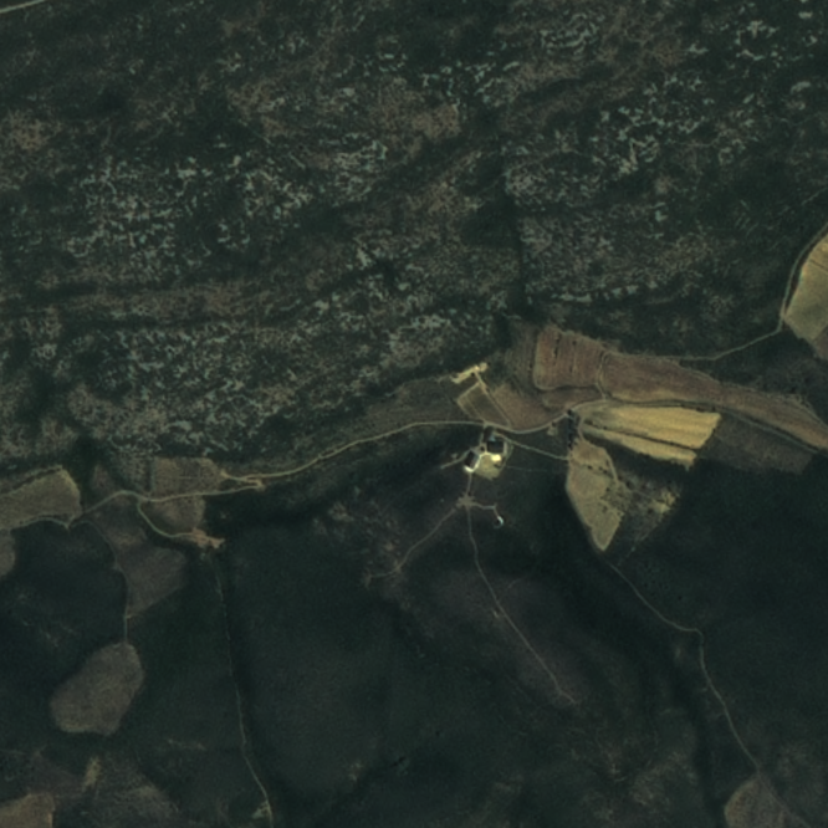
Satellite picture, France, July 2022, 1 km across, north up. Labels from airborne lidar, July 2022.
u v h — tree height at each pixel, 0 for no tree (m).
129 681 0
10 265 0
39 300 0
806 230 9
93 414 0
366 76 0
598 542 0
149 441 0
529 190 0
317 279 0
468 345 0
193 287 0
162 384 0
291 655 0
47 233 0
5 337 0
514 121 0
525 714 0
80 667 7
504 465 0
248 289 0
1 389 0
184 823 0
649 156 0
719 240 0
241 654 6
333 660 0
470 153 0
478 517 0
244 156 0
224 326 0
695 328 0
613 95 0
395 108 0
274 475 0
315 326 0
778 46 0
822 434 0
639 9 0
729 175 0
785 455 0
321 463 6
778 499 6
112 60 0
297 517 7
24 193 0
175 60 0
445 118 0
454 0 0
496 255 0
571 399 0
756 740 0
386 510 0
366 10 0
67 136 0
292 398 0
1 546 0
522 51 0
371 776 6
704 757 7
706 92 0
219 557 9
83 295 0
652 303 0
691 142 0
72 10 0
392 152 0
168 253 0
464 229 0
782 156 0
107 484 0
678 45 0
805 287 0
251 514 6
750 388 0
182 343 0
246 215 0
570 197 0
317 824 6
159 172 0
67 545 0
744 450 0
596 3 0
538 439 0
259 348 0
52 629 6
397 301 0
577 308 0
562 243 0
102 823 0
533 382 0
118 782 0
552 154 0
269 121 0
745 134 0
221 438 0
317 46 0
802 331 0
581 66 0
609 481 0
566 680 0
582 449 0
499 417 0
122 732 6
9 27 0
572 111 0
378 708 6
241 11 0
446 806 0
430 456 8
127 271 0
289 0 0
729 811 0
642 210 0
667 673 8
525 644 0
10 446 0
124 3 0
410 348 0
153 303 0
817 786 0
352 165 0
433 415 0
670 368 0
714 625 6
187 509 0
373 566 0
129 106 0
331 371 0
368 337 0
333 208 0
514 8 0
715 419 0
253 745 6
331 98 0
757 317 0
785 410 0
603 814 0
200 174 0
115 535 0
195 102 0
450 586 0
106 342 0
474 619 0
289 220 0
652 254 0
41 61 0
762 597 5
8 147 0
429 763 6
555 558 6
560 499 8
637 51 0
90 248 0
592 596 6
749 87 0
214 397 0
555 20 0
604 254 0
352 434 0
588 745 0
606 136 0
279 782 8
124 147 0
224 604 6
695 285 0
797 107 0
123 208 0
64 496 0
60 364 0
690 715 6
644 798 0
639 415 0
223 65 0
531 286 0
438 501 0
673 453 0
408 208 0
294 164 0
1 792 0
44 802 0
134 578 0
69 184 0
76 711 0
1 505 0
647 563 6
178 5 0
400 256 0
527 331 0
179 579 0
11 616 8
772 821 0
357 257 0
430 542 0
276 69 0
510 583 0
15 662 7
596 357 0
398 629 7
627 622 7
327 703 0
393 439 8
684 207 0
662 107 0
